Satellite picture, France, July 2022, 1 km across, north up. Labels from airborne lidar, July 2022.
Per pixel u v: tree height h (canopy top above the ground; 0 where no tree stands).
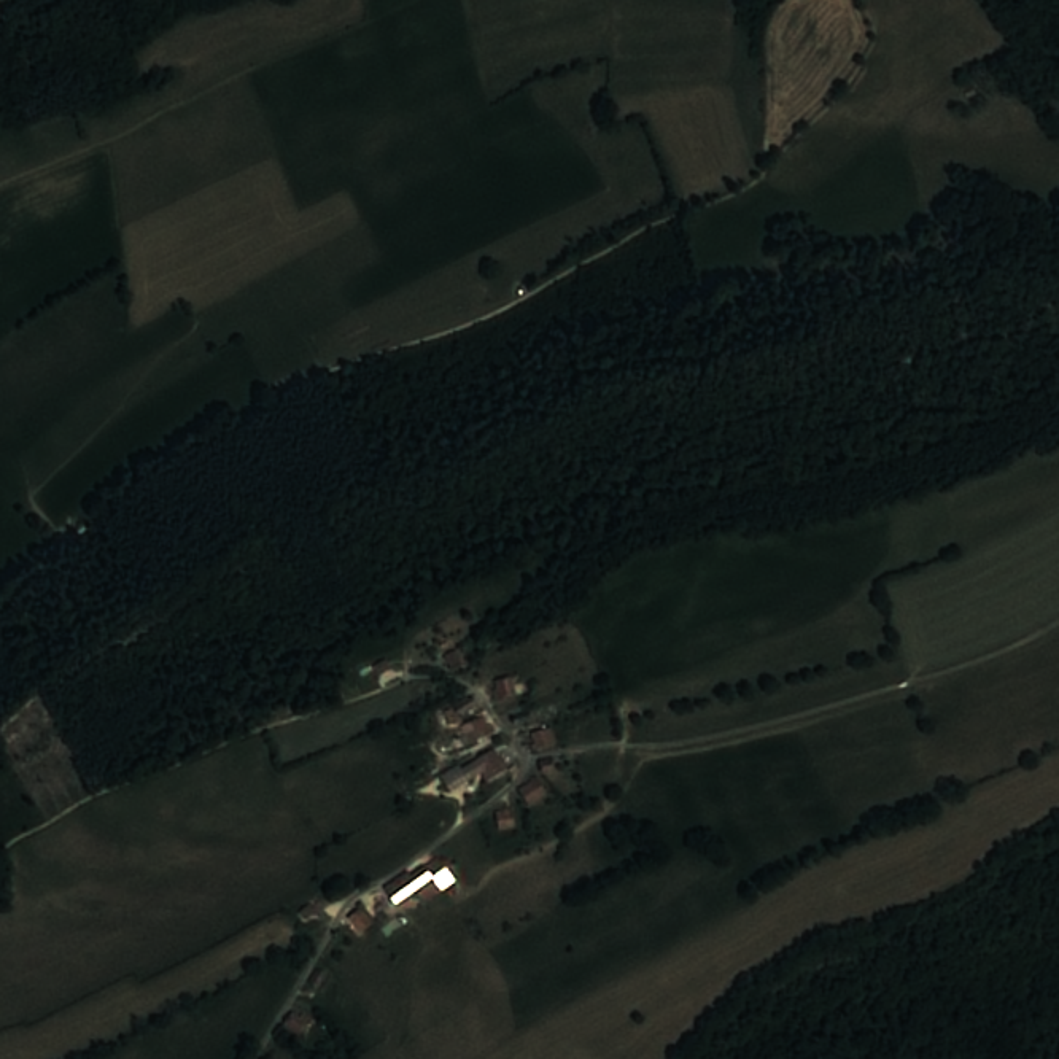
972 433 20
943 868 0
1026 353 15
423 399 12
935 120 0
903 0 0
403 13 0
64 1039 0
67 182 0
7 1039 0
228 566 18
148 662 15
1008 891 29
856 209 0
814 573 0
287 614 15
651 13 0
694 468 24
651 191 0
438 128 0
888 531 0
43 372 0
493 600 0
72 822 0
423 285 0
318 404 26
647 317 37
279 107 0
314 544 12
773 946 0
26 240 0
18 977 0
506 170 0
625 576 0
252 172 0
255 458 28
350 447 30
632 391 21
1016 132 0
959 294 27
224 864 0
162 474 26
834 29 0
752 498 16
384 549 19
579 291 7
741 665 0
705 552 0
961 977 27
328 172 0
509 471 21
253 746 0
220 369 0
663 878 0
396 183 0
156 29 26
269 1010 0
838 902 0
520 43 0
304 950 22
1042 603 0
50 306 16
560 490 23
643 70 0
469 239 0
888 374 18
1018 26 28
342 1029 6
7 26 19
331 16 0
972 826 0
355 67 0
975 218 23
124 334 0
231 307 0
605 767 0
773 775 0
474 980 0
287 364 0
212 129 0
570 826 7
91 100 19
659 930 0
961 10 0
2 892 16
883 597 17
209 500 31
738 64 0
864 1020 26
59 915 0
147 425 0
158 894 0
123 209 0
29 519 13
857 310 27
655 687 0
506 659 0
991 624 0
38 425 0
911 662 0
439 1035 0
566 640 6
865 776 0
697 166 0
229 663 29
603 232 8
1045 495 0
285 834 0
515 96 7
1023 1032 26
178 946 0
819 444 31
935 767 0
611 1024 0
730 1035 23
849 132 0
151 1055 0
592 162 0
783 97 0
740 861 0
